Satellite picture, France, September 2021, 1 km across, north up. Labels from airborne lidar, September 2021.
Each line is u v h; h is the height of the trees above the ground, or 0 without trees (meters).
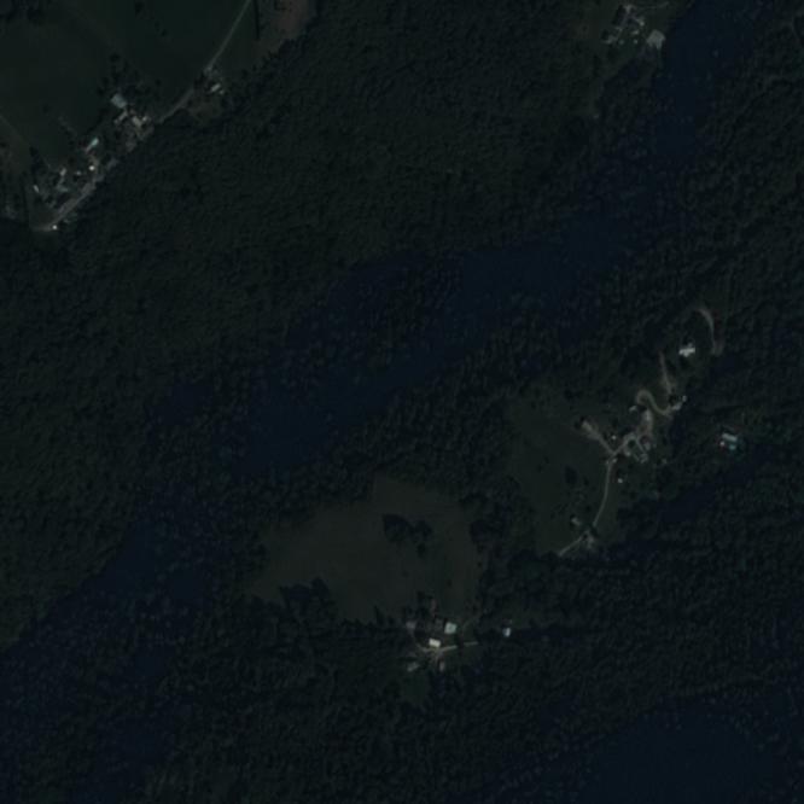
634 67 0
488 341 32
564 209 28
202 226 20
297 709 12
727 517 29
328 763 29
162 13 0
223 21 0
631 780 20
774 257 23
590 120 0
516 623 0
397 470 18
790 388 28
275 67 9
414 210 19
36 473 23
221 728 26
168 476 33
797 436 19
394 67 30
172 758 27
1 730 34
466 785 13
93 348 32
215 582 26
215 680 13
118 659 37
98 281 18
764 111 14
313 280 10
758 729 21
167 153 24
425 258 20
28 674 34
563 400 0
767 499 23
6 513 31
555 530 0
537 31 30
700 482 8
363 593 0
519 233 24
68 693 37
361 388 31
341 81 23
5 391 25
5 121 0
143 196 27
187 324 24
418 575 0
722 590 18
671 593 17
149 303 28
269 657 7
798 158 16
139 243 23
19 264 25
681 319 24
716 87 25
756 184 13
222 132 16
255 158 19
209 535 25
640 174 33
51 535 32
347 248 26
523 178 29
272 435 27
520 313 34
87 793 32
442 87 26
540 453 0
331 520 0
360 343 32
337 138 25
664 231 35
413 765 21
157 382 33
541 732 14
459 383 27
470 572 0
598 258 27
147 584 14
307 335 34
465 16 29
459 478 22
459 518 0
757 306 27
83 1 0
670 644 21
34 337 28
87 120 0
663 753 18
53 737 39
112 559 15
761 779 22
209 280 24
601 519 0
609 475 0
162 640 20
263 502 21
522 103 32
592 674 28
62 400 23
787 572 13
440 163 26
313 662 7
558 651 24
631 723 17
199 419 26
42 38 0
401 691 14
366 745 21
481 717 14
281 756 25
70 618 38
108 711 41
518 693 14
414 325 27
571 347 19
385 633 7
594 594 20
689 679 23
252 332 27
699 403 23
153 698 32
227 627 8
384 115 24
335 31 22
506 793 13
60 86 0
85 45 0
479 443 27
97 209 16
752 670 19
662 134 27
